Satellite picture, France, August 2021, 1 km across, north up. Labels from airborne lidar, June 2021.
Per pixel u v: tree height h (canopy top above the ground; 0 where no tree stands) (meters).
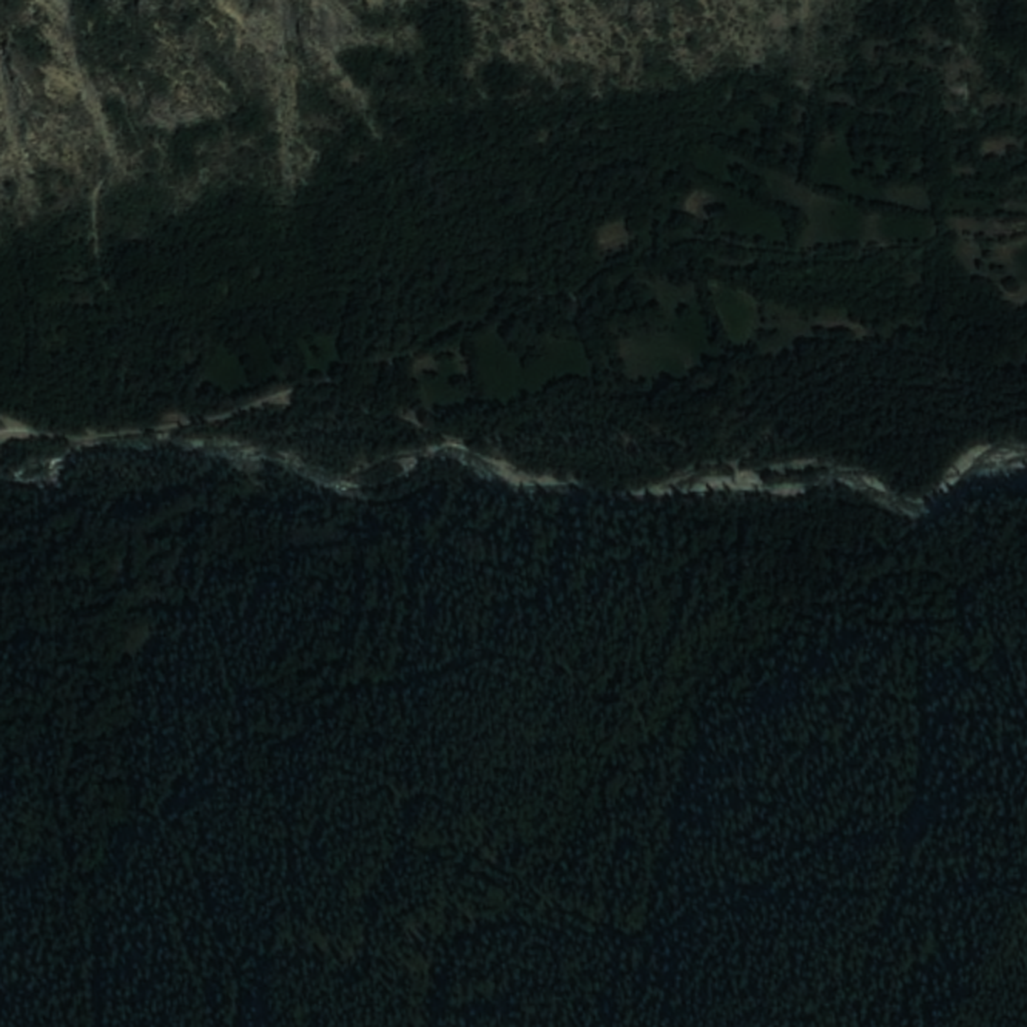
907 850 14
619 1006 32
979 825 16
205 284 13
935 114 9
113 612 21
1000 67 11
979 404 17
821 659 12
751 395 13
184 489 9
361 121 6
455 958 31
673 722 12
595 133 13
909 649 11
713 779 15
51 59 7
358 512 8
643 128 12
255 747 24
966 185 16
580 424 10
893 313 17
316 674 12
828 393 12
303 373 17
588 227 13
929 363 8
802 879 29
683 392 19
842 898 8
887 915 7
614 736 30
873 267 11
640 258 14
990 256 11
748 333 0
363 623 20
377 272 14
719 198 0
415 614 33
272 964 11
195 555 15
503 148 18
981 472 0
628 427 14
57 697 25
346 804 27
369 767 31
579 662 15
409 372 16
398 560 24
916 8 7
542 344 20
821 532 16
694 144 16
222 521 21
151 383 11
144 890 26
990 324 22
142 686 14
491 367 0
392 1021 27
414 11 9
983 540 21
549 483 0
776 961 24
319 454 21
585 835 16
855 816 12
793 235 14
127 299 13
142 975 28
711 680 17
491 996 7
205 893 8
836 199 15
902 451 13
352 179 12
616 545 11
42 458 9
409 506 16
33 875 6
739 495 6
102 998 17
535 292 14
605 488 6
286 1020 18
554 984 25
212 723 32
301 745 15
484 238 16
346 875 10
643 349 0
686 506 21
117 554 17
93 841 14
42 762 29
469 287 15
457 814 8
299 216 9
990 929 23
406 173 8
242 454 0
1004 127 10
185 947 6
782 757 25
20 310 12
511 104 7
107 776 19
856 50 9
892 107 11
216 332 12
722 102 13
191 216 8
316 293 15
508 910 6
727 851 29
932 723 26
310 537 24
